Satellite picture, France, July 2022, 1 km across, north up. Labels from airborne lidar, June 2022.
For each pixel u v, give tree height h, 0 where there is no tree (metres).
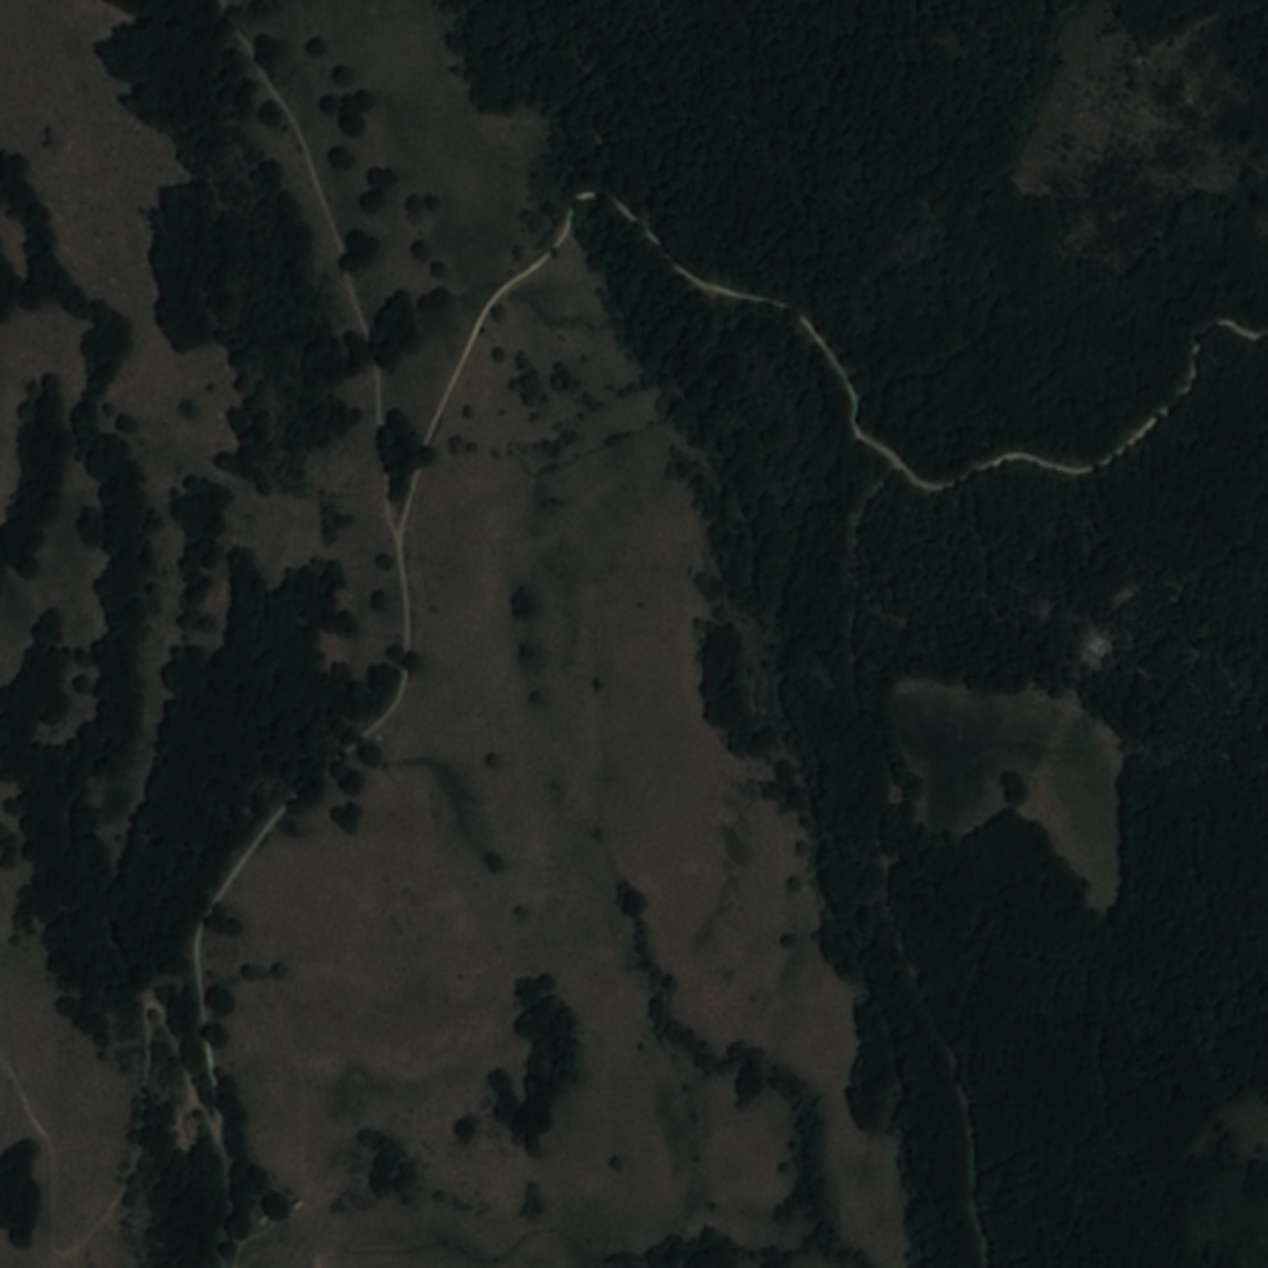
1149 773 16
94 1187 0
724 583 8
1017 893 14
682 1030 10
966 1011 11
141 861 21
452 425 0
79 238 0
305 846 0
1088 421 11
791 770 17
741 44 14
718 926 0
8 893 0
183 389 0
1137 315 8
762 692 8
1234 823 18
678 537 0
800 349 12
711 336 18
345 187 0
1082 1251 15
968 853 11
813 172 15
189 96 15
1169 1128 14
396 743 0
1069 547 12
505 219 0
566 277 0
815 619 17
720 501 10
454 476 0
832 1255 10
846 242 12
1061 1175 9
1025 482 10
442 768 0
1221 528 13
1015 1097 12
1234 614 11
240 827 15
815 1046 0
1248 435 14
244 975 9
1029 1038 14
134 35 23
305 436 7
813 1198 10
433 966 0
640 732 0
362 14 0
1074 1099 16
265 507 0
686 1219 0
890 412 14
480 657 0
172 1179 10
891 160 8
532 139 0
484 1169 0
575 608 0
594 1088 0
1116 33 6
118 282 0
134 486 21
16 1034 0
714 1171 0
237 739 18
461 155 0
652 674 0
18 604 0
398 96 0
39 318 0
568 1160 0
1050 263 15
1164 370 10
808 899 0
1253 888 16
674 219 18
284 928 0
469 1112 0
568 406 0
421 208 9
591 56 12
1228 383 10
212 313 6
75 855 13
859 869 11
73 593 0
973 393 14
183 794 23
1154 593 10
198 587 13
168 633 0
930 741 0
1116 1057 15
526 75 15
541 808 0
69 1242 0
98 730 16
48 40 0
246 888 0
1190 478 14
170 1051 10
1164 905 15
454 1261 0
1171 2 13
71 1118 0
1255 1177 7
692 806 0
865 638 14
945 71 11
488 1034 0
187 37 19
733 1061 11
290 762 10
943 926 14
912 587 11
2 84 0
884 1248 0
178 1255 12
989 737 0
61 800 17
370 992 0
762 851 0
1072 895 12
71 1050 0
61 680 16
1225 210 16
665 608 0
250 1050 0
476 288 0
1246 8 13
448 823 0
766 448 9
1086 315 8
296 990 0
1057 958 13
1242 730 14
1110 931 12
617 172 14
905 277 10
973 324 14
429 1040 0
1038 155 0
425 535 0
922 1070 20
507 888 0
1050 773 0
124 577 18
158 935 19
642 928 9
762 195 16
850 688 14
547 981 11
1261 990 6
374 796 0
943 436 10
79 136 0
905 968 7
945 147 7
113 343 18
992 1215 13
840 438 12
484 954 0
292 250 8
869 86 16
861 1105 19
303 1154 0
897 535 10
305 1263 0
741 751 15
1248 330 8
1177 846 17
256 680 21
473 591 0
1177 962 15
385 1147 9
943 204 12
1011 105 12
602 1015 0
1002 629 13
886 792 13
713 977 0
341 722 12
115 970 19
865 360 12
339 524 8
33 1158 14
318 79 0
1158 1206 12
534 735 0
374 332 7
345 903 0
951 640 13
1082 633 10
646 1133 0
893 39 13
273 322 8
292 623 22
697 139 16
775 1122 0
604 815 0
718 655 21
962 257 10
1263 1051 15
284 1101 0
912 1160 13
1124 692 14
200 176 11
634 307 16
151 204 0
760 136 17
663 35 12
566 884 0
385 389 0
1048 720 0
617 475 0
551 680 0
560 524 0
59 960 14
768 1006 0
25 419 9
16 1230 10
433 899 0
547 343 0
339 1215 0
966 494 11
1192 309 19
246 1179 11
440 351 0
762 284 12
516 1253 0
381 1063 0
